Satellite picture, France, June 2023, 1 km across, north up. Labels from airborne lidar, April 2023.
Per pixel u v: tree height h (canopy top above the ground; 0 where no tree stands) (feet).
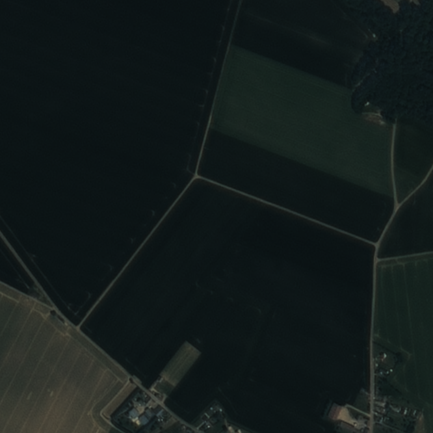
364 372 0
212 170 0
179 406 0
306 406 0
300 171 0
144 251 0
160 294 0
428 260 0
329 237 0
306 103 0
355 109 55
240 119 0
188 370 0
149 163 0
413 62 87
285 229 0
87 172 0
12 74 0
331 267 0
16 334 0
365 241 0
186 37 0
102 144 0
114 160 0
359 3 54
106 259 0
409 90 74
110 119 0
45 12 0
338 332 0
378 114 0
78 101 0
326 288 0
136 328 0
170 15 0
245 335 0
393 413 0
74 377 0
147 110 0
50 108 0
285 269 0
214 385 0
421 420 0
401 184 0
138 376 0
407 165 0
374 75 66
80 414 0
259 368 0
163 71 0
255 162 0
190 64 0
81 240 0
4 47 0
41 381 0
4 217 0
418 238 0
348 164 0
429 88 80
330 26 0
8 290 0
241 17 0
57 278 0
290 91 0
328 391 0
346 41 0
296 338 0
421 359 0
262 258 0
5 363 0
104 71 0
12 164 0
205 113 0
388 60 75
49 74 0
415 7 63
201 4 0
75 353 0
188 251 0
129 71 0
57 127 0
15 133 0
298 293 0
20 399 0
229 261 0
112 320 0
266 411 0
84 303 0
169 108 0
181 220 0
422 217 0
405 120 0
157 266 0
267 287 0
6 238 0
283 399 0
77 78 0
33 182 0
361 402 0
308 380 0
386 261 0
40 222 0
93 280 0
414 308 0
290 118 0
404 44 64
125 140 0
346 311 0
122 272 0
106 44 0
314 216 0
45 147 0
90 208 0
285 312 0
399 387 0
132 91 0
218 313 0
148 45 0
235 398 0
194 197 0
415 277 0
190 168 0
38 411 0
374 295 0
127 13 0
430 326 0
